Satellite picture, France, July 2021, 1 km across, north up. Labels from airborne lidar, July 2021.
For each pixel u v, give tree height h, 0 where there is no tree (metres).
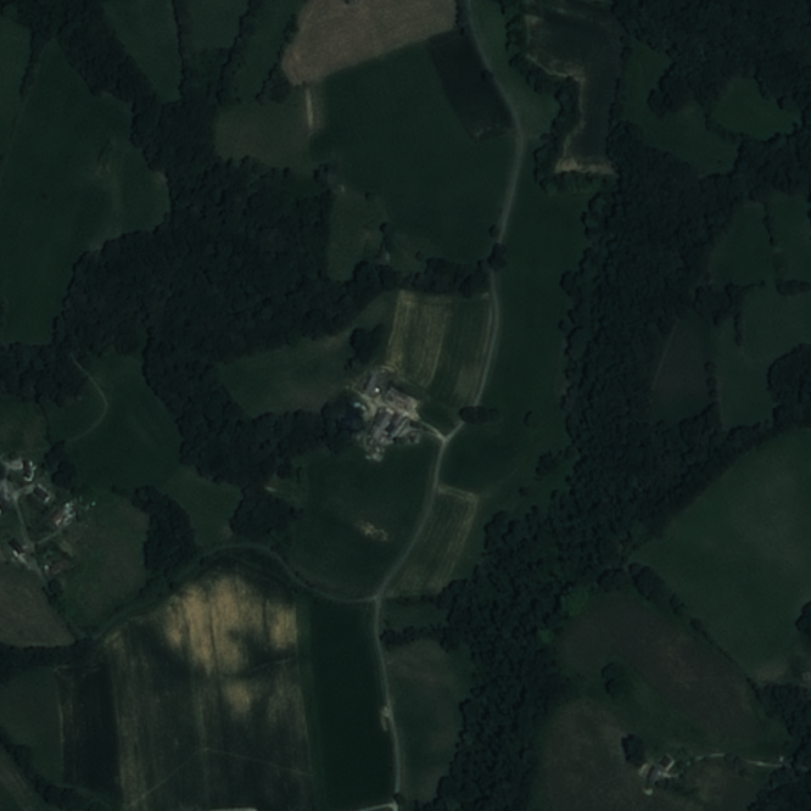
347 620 0
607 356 26
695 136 0
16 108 0
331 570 0
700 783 0
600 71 0
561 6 0
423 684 0
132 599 0
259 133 0
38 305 0
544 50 0
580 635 0
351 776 0
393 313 0
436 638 14
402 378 0
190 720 0
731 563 0
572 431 17
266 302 8
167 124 28
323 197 8
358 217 0
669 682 0
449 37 0
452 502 0
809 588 0
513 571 24
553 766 0
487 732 26
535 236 0
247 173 31
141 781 0
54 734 0
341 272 0
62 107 0
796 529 0
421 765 0
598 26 0
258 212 16
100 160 7
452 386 0
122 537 0
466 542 0
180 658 0
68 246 0
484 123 0
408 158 0
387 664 0
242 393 0
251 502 16
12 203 0
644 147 24
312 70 0
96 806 12
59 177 0
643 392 13
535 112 0
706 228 12
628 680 0
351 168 0
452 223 0
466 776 10
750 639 0
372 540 0
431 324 0
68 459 8
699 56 31
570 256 0
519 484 0
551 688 26
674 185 23
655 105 13
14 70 0
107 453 0
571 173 6
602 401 30
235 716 0
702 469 18
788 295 10
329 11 0
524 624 13
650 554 0
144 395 0
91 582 0
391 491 0
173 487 0
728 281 0
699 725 0
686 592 0
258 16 9
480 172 0
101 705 0
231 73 23
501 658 26
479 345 0
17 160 0
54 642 0
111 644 0
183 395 27
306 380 0
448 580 0
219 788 0
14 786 0
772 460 0
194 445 17
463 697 0
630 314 26
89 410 0
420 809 18
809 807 32
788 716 13
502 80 0
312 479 0
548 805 0
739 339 8
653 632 0
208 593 0
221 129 0
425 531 0
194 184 10
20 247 0
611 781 0
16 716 0
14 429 0
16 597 0
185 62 10
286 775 0
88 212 0
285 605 0
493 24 0
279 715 0
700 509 0
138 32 0
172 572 20
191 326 30
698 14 19
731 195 24
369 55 0
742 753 0
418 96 0
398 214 0
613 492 24
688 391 0
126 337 24
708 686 0
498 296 0
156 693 0
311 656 0
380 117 0
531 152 0
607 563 22
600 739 0
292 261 28
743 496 0
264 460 24
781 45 15
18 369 26
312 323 23
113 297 25
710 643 6
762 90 18
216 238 28
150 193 0
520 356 0
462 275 11
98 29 18
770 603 0
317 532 0
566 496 8
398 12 0
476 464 0
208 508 0
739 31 14
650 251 18
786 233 0
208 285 24
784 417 27
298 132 0
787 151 22
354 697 0
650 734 0
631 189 20
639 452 18
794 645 0
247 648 0
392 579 0
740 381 0
